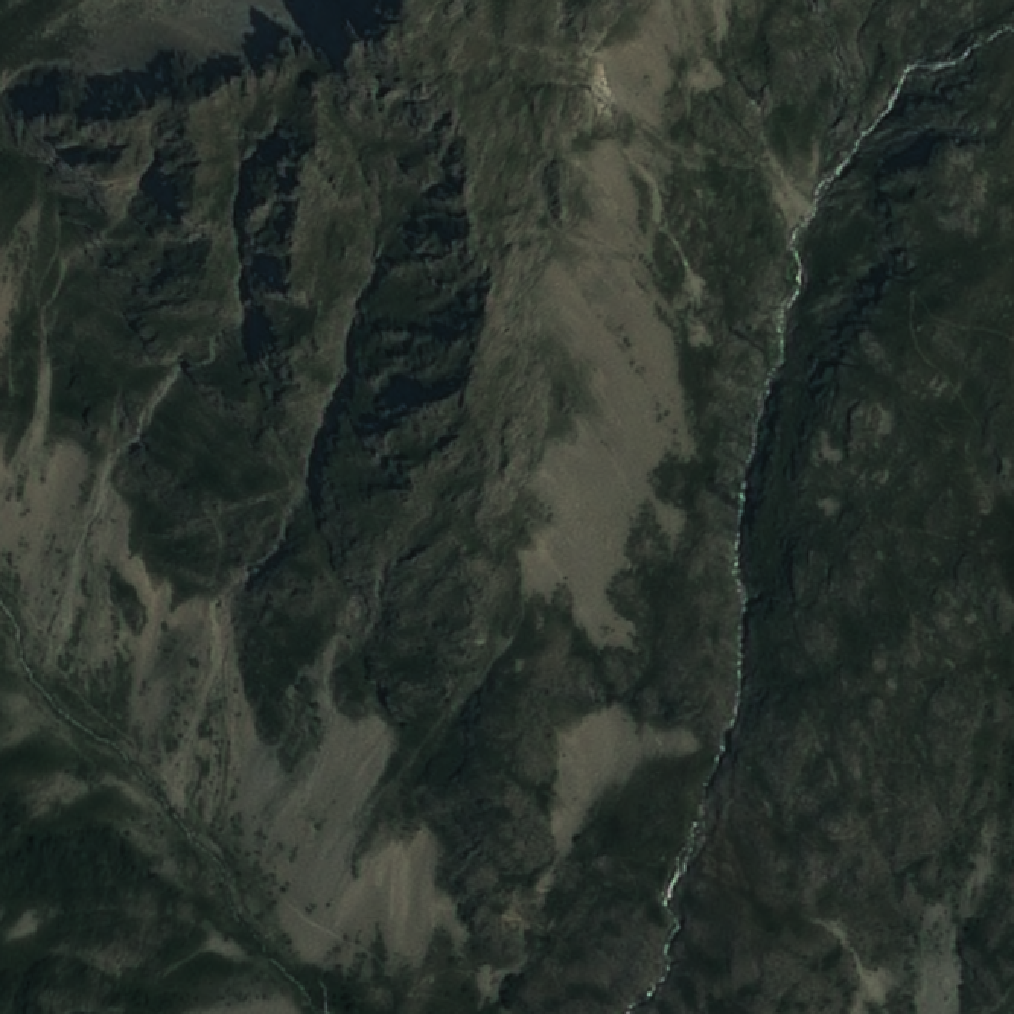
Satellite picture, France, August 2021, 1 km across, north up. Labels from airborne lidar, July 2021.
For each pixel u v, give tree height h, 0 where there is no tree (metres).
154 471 0
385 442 0
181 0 0
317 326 0
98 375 0
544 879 0
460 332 0
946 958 0
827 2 0
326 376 0
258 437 0
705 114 0
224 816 0
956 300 0
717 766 0
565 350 0
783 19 0
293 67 0
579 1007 0
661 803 0
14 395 0
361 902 0
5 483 0
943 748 0
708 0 0
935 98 0
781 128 0
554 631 0
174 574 0
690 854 0
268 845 0
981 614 0
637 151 0
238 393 0
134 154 0
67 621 0
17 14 0
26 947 0
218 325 0
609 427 0
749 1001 0
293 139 0
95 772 0
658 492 0
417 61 0
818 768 0
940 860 7
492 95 0
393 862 0
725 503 0
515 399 0
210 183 0
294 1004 0
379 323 0
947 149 0
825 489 0
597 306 0
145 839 0
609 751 0
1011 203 0
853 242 0
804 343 0
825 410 0
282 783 0
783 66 0
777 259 0
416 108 0
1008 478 0
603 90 0
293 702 0
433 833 0
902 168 0
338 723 0
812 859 0
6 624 0
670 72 0
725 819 0
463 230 0
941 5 0
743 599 0
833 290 0
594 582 0
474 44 0
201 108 0
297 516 0
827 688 0
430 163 0
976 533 0
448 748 0
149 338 0
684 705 0
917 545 0
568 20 0
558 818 0
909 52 0
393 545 0
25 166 0
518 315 0
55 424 0
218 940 0
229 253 0
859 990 0
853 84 0
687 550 0
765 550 0
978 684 0
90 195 0
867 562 0
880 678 0
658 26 0
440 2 0
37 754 0
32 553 0
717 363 0
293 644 0
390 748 0
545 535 0
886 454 0
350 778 0
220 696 0
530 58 0
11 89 0
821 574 0
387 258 0
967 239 0
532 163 0
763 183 0
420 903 0
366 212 0
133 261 0
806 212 0
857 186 0
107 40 0
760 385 0
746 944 0
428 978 0
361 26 0
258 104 0
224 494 0
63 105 0
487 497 0
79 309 0
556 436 0
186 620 0
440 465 0
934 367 0
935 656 0
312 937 0
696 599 0
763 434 0
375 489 0
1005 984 0
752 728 0
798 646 0
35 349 0
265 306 0
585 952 0
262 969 0
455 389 0
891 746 0
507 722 0
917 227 0
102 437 0
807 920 0
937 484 0
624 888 0
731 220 0
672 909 0
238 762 0
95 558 0
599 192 0
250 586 0
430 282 0
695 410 0
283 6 0
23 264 0
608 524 0
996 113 0
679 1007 0
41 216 0
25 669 0
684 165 0
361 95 0
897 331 0
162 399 0
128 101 0
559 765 0
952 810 0
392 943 0
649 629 0
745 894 0
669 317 0
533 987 0
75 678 0
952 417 0
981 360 0
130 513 0
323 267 0
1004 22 0
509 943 0
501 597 0
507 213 0
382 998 0
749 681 0
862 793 0
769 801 0
